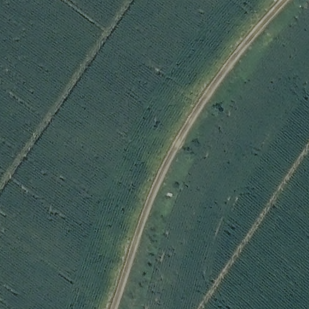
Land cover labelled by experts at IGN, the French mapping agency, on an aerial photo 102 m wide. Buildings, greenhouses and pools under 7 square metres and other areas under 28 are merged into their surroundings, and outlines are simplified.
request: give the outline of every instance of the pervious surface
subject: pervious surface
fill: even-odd
[[[202,97],[198,103],[190,105],[192,111],[176,138],[170,138],[173,144],[154,177],[133,239],[124,241],[122,245],[121,261],[118,268],[112,272],[104,309],[118,309],[154,199],[176,153],[228,72],[263,29],[273,21],[276,14],[291,0],[274,0],[274,5],[264,14],[261,21],[252,25],[252,29],[245,37],[239,37],[235,41],[237,48],[223,63],[209,86],[206,87],[206,83],[200,86],[200,91],[203,91]]]

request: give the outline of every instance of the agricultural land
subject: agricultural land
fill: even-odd
[[[309,0],[291,0],[276,14],[273,21],[263,29],[228,72],[176,153],[154,199],[118,309],[309,309]]]
[[[104,309],[112,272],[118,268],[121,261],[122,245],[124,241],[133,239],[154,177],[173,144],[170,138],[176,138],[192,111],[190,105],[198,103],[202,97],[203,91],[200,91],[200,86],[206,83],[206,87],[209,86],[223,63],[237,48],[235,41],[239,37],[245,37],[252,29],[252,25],[261,21],[264,14],[274,5],[274,0],[0,0],[0,309]]]

